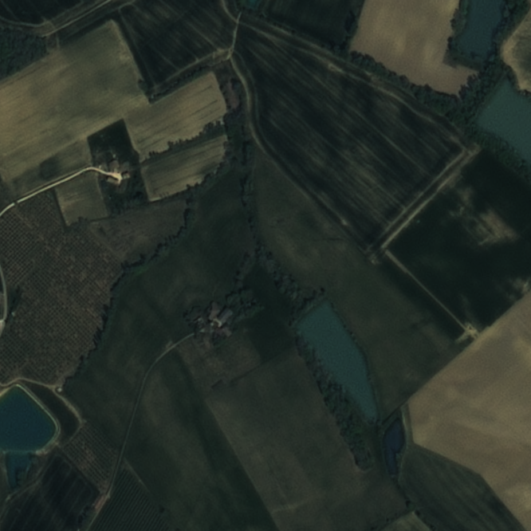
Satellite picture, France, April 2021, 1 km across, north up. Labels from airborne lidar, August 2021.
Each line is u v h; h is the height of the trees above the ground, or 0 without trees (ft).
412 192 0
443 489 0
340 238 0
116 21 0
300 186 0
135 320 0
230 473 0
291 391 0
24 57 54
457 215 0
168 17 0
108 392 0
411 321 0
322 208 0
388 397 0
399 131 0
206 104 0
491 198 0
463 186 0
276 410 0
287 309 0
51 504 0
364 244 0
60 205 0
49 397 0
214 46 0
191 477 0
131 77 0
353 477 0
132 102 0
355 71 0
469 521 0
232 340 0
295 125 0
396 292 0
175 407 0
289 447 0
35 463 54
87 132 0
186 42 0
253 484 0
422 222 0
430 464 0
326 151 0
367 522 0
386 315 0
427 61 0
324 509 0
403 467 0
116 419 0
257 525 0
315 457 0
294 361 0
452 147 0
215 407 0
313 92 0
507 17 71
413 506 40
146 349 0
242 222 0
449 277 0
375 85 0
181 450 0
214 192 0
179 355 0
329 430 0
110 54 0
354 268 0
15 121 0
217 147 0
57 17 0
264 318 0
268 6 0
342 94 0
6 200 0
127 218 0
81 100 0
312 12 0
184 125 0
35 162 0
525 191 0
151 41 0
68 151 0
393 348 0
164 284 0
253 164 62
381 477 0
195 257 0
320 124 0
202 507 0
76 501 0
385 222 0
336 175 0
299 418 0
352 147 0
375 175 0
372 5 0
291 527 0
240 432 0
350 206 0
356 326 0
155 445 0
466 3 52
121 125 0
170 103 0
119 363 0
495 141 52
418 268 0
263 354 0
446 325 0
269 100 0
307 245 0
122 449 0
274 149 0
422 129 0
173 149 62
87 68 0
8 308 0
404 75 0
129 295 0
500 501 0
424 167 0
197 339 32
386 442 0
